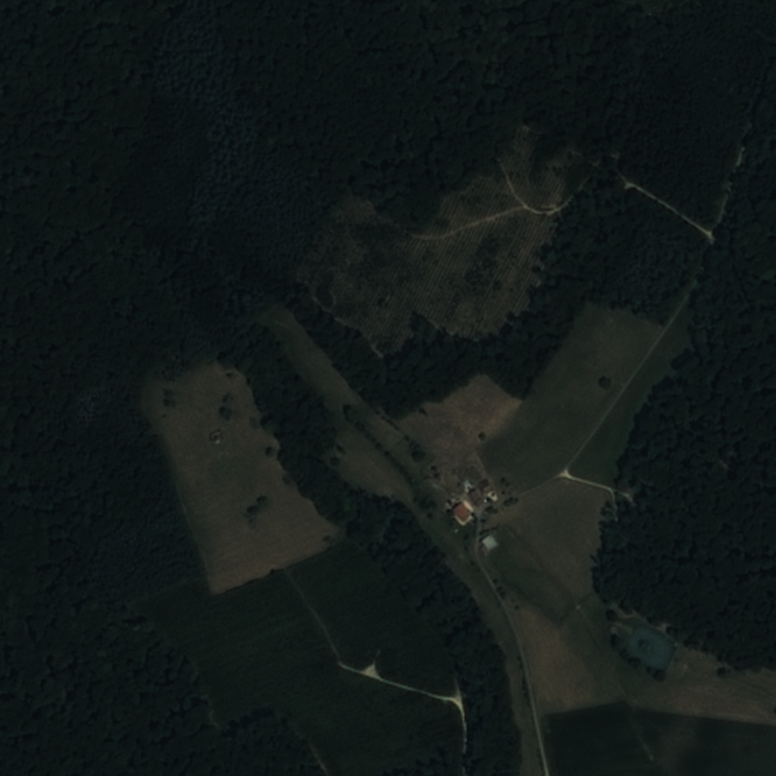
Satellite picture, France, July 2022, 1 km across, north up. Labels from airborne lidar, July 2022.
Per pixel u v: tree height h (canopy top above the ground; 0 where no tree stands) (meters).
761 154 24
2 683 29
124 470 21
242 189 24
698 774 0
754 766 0
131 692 28
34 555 35
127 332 30
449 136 31
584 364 0
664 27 30
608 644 0
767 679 0
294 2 30
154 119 16
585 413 0
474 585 0
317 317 24
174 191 26
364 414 0
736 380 29
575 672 0
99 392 30
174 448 0
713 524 28
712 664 0
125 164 29
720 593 30
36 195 31
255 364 27
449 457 0
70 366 20
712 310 23
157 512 15
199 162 25
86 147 32
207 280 32
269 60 29
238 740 24
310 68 29
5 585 34
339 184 28
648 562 25
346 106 31
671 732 0
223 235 22
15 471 33
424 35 26
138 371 30
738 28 13
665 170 21
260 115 25
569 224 25
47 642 30
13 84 36
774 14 14
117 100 31
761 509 29
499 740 34
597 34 29
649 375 0
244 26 29
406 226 28
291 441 28
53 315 31
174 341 30
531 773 0
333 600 0
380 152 30
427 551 29
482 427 0
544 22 7
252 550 0
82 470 28
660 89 22
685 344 0
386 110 29
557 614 0
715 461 26
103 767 29
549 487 0
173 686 29
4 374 33
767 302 27
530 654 0
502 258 0
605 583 24
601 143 29
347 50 33
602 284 19
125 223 35
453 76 31
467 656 35
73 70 30
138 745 24
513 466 0
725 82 19
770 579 34
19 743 27
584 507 0
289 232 27
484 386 0
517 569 0
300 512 0
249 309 32
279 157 21
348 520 26
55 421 27
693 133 22
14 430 15
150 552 21
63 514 32
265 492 0
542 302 29
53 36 29
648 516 27
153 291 35
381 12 32
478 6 31
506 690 33
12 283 35
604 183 10
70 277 32
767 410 27
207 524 0
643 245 22
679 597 30
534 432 0
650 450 30
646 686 0
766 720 0
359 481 0
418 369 27
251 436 0
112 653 28
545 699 0
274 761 26
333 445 14
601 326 0
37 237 29
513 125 31
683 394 29
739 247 31
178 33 31
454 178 30
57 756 19
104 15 29
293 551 0
